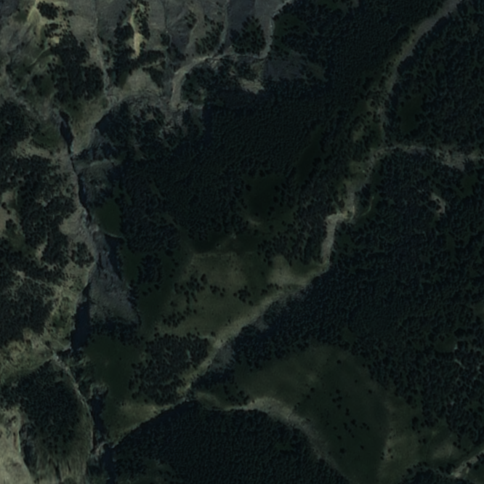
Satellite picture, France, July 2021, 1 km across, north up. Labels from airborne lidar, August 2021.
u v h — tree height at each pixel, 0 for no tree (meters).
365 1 18
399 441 0
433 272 15
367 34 27
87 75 16
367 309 17
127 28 12
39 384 12
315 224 16
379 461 0
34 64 0
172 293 0
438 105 26
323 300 16
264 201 0
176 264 9
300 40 17
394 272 15
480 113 18
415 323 24
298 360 0
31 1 0
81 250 12
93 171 0
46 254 11
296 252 8
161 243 21
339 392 11
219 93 13
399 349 20
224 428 19
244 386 0
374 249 13
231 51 0
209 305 0
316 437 0
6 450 0
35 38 0
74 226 0
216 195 28
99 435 0
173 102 0
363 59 28
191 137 9
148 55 13
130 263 0
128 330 19
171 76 0
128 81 0
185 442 27
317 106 29
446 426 0
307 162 0
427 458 0
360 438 0
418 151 0
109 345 0
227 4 0
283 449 0
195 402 7
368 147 18
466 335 17
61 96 8
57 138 0
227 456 22
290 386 0
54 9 7
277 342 23
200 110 0
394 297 22
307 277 0
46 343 8
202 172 31
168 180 28
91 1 0
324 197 15
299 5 8
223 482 25
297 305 9
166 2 0
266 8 0
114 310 0
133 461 14
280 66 0
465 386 14
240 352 18
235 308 0
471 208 27
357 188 0
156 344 15
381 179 0
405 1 24
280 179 0
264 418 23
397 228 15
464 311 21
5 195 0
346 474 0
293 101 30
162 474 13
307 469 25
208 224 20
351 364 0
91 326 10
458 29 15
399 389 13
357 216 0
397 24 20
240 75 7
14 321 13
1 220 0
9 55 0
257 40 7
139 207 16
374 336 19
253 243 0
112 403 0
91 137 0
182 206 28
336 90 27
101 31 0
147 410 0
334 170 12
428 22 0
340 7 0
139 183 15
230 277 0
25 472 0
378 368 15
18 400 12
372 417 0
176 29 0
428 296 23
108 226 0
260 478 21
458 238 8
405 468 0
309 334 13
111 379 0
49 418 24
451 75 16
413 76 17
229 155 27
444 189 11
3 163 15
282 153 28
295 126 29
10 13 0
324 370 0
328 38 23
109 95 0
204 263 0
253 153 29
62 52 12
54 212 10
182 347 15
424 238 20
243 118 31
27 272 14
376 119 14
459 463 0
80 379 10
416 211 17
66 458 7
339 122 17
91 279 0
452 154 15
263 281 0
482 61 25
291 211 0
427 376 22
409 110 0
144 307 0
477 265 18
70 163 0
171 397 14
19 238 0
